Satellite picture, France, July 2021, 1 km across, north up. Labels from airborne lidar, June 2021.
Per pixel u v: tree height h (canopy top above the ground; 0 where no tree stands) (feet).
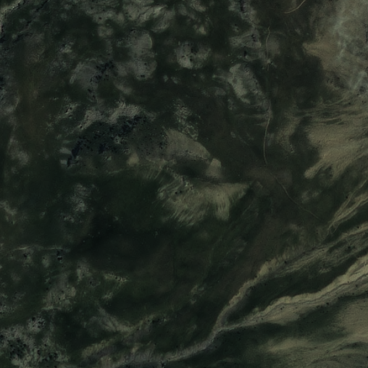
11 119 0
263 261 0
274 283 0
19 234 0
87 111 0
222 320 0
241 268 0
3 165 0
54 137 0
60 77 0
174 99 0
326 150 0
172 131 0
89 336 0
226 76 0
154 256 0
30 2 0
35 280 0
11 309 0
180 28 0
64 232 0
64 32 0
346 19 0
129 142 0
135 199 0
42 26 0
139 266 0
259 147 0
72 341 0
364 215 0
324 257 0
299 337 0
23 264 0
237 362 0
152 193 0
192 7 0
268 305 0
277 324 0
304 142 0
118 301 0
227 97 0
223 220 0
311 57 0
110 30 0
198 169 0
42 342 0
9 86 0
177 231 0
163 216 0
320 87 0
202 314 0
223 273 0
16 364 0
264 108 0
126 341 0
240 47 0
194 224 0
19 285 0
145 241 0
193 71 0
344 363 0
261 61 0
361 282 0
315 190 0
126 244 0
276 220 0
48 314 0
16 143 0
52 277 0
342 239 0
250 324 0
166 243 0
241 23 0
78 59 0
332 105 0
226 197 0
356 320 0
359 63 0
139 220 0
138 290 0
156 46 0
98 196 0
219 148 0
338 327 0
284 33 0
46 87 0
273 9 0
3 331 0
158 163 0
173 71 0
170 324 0
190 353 0
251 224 0
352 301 0
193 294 0
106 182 0
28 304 0
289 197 0
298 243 0
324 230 0
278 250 0
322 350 0
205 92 0
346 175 0
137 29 0
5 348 0
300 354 0
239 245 0
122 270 0
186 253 0
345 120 0
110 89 0
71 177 0
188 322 0
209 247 0
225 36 0
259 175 0
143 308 0
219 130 0
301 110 0
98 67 29
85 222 0
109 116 0
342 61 0
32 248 0
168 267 0
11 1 0
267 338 0
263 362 0
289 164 0
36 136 0
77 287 0
